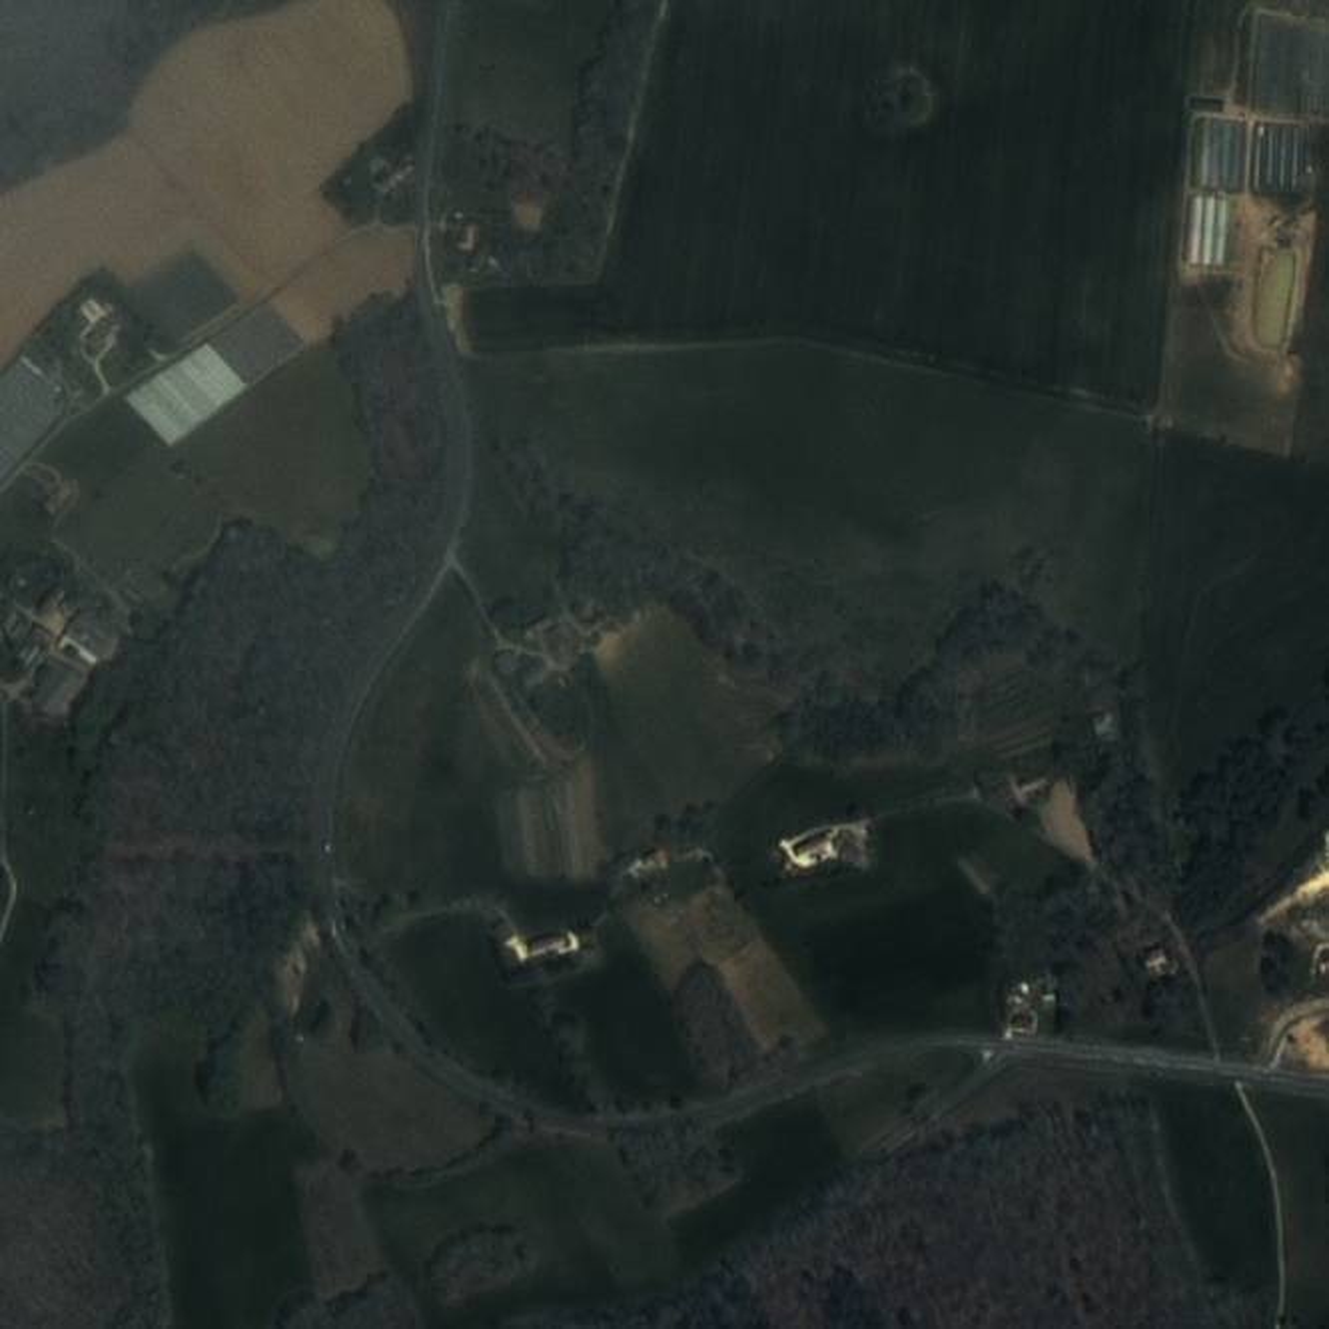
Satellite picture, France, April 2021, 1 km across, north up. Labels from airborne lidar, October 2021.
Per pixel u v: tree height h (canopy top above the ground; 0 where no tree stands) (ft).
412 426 55
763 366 0
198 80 0
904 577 0
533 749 0
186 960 88
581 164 54
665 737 0
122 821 68
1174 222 0
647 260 0
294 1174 0
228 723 75
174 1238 0
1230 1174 0
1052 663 69
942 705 55
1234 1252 0
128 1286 67
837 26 0
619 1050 0
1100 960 75
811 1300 35
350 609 61
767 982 0
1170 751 0
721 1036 66
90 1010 81
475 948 0
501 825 0
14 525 0
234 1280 0
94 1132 86
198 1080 0
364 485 0
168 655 69
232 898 56
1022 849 0
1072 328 0
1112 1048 0
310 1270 0
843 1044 0
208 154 0
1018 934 38
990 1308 32
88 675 0
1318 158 0
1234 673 0
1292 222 0
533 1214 0
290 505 0
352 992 33
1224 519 0
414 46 0
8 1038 0
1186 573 0
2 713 0
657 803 0
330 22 0
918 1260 43
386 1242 0
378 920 39
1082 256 0
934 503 0
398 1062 28
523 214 0
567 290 0
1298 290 0
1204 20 0
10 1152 59
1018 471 0
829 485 0
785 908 0
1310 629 0
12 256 0
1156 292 0
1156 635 0
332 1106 0
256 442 0
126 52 67
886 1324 17
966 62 0
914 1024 0
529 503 37
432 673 0
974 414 0
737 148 0
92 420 0
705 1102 24
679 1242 0
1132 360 0
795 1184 0
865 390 0
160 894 56
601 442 0
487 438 0
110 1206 83
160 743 56
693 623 54
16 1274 52
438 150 0
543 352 0
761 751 0
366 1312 75
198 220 0
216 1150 0
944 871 0
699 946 0
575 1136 0
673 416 0
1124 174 0
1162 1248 60
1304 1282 0
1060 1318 40
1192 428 0
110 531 0
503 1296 0
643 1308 0
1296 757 46
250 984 67
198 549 0
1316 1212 0
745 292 0
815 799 0
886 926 0
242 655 60
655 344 0
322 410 0
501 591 0
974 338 0
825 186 0
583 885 0
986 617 38
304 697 60
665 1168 84
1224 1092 0
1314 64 0
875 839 33
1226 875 59
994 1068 0
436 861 0
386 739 0
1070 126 0
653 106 0
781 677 69
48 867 0
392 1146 0
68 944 67
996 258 0
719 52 0
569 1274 0
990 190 0
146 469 0
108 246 0
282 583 62
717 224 0
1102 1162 61
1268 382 0
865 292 0
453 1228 0
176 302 0
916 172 0
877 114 42
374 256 0
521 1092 32
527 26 0
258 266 0
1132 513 0
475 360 0
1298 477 0
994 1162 66
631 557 54
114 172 0
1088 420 0
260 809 56
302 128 0
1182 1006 43
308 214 0
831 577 0
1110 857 64
